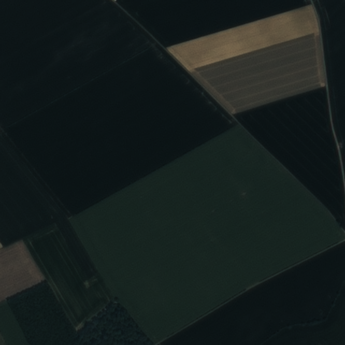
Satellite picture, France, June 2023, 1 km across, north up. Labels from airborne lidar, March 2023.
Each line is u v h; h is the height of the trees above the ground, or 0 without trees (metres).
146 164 0
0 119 0
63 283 0
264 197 0
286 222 0
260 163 0
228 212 0
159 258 0
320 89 0
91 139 0
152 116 0
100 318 20
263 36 0
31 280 0
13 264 0
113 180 0
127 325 17
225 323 0
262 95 0
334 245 0
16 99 0
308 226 0
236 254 0
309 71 0
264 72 0
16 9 0
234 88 0
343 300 0
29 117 0
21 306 10
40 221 0
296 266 0
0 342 0
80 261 0
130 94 0
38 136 0
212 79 0
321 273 0
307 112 0
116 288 0
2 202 0
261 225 0
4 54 0
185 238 0
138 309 0
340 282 0
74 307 0
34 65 0
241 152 0
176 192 0
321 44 0
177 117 0
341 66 0
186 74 0
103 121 0
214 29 0
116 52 0
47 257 0
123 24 0
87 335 19
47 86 0
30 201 0
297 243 0
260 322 0
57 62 0
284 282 0
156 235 0
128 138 0
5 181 0
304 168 0
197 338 0
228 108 0
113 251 0
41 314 11
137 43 0
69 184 0
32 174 0
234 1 0
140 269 0
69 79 0
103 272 0
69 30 0
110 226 0
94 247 0
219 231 0
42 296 11
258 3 0
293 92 0
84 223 0
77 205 0
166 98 0
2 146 0
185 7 0
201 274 0
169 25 0
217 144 0
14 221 0
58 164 0
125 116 0
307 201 0
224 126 0
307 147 0
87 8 0
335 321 0
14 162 0
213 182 0
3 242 0
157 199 0
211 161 0
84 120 0
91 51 0
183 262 0
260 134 0
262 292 0
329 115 0
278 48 0
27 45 0
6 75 0
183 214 0
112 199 0
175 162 0
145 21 0
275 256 0
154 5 0
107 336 21
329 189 0
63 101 0
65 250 0
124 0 0
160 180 0
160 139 0
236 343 0
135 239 0
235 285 0
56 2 0
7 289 0
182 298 0
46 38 0
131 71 0
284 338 0
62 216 0
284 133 0
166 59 0
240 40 0
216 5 0
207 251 0
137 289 0
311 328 0
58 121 0
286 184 0
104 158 0
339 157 0
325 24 0
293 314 0
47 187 0
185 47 0
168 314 0
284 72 0
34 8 0
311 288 0
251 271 0
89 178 0
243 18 0
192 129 0
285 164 0
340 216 0
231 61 0
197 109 0
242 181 0
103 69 0
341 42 0
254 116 0
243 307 0
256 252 0
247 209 0
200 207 0
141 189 0
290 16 0
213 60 0
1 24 0
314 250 0
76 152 0
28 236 0
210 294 0
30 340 9
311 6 0
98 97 0
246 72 0
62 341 11
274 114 0
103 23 0
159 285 0
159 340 0
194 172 0
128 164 0
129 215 0
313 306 0
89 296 0
